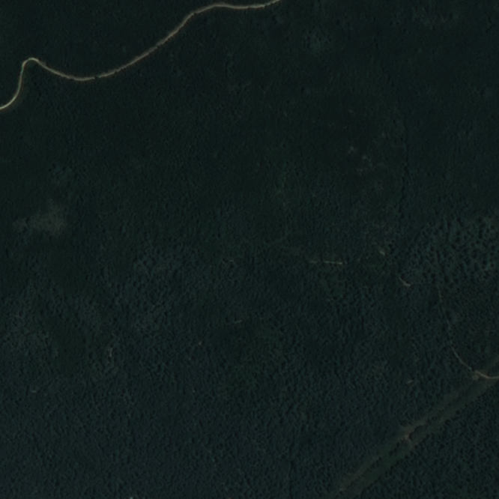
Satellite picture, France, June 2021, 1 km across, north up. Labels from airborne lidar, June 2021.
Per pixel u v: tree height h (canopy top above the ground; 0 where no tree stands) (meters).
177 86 7
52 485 18
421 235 16
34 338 16
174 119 13
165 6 12
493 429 12
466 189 12
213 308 11
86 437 15
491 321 15
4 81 12
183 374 15
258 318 13
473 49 16
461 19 10
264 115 7
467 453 11
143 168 10
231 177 8
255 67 7
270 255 13
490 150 12
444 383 21
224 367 22
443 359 16
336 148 8
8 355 14
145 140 5
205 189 16
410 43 12
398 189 8
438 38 12
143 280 10
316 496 16
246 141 7
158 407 17
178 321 16
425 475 16
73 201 10
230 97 8
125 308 10
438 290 15
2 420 18
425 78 14
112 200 7
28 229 13
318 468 20
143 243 14
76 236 13
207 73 7
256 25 7
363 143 8
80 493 17
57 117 7
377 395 13
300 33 8
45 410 16
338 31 8
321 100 9
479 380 6
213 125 13
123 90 8
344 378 13
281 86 7
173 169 7
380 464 11
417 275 18
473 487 12
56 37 11
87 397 17
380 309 16
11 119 7
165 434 17
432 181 13
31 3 18
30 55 16
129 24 14
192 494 13
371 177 6
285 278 15
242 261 14
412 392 11
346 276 10
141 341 19
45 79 7
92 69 12
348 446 21
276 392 15
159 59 5
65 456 15
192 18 9
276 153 9
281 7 10
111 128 7
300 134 7
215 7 6
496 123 15
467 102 14
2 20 10
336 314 14
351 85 8
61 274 8
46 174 8
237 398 12
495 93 15
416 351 16
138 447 17
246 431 15
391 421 13
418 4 10
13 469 16
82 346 7
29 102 10
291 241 12
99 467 16
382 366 21
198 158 15
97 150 10
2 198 8
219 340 16
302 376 24
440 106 13
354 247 9
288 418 15
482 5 16
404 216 14
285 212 8
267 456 13
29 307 13
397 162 8
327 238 10
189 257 17
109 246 12
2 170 7
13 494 19
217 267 13
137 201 6
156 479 16
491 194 13
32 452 17
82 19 14
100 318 13
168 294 16
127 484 15
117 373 21
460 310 13
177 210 12
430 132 12
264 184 9
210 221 8
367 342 19
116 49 10
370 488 7
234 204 9
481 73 13
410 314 12
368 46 7
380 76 7
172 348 20
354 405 16
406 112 10
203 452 15
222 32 9
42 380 16
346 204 8
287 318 17
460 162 12
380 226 9
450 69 15
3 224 7
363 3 9
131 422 13
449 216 13
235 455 16
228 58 15
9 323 9
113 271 12
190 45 7
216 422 16
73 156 7
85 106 8
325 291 18
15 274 8
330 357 10
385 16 13
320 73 9
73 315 7
